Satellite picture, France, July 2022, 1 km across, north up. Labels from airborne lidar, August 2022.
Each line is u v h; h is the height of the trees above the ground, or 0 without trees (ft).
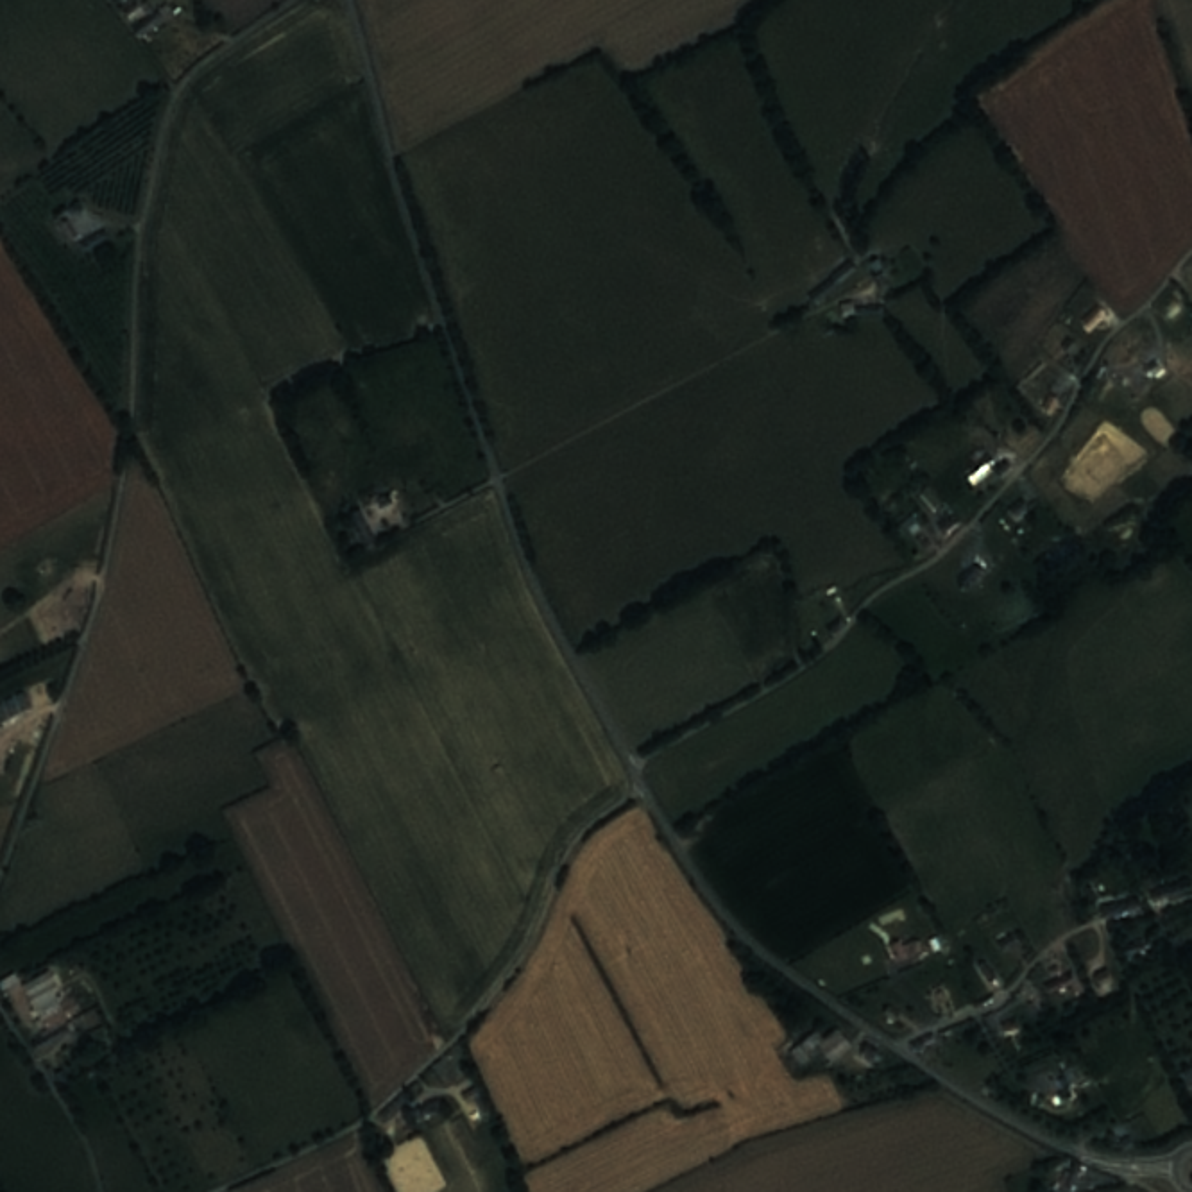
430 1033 0
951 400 41
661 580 0
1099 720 0
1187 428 37
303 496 0
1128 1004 27
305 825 0
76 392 0
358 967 0
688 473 0
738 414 0
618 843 0
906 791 0
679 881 0
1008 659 0
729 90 0
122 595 0
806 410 0
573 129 0
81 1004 0
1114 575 44
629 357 0
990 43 0
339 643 0
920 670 39
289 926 0
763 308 0
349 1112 0
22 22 0
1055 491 0
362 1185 0
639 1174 0
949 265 0
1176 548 56
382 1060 0
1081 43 0
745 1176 0
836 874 0
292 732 48
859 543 0
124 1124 23
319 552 0
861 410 0
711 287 0
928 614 0
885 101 0
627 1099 0
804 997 22
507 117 0
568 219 0
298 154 0
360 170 0
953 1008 0
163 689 0
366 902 0
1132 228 0
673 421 0
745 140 0
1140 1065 0
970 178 0
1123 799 0
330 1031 29
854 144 0
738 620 0
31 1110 0
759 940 0
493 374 0
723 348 0
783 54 0
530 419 0
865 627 37
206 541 0
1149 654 0
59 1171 0
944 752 0
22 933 40
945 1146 0
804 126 0
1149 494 0
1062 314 0
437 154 0
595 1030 0
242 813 0
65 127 0
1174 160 0
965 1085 0
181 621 0
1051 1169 20
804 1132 0
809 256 0
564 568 0
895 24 0
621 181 0
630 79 49
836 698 0
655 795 0
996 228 0
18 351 0
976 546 0
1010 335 0
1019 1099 17
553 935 0
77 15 0
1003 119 0
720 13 0
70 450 0
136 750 0
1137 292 0
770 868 0
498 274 0
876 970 0
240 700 0
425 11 0
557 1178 0
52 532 0
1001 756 0
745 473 0
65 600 0
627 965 0
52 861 0
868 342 0
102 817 0
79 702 0
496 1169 0
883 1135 0
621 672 0
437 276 44
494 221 0
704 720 32
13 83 0
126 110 25
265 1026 0
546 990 0
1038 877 0
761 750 0
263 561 0
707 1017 0
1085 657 0
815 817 0
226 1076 0
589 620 0
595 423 0
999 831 0
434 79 0
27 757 0
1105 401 0
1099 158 0
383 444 0
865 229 20
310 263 0
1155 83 0
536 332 0
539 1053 0
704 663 0
